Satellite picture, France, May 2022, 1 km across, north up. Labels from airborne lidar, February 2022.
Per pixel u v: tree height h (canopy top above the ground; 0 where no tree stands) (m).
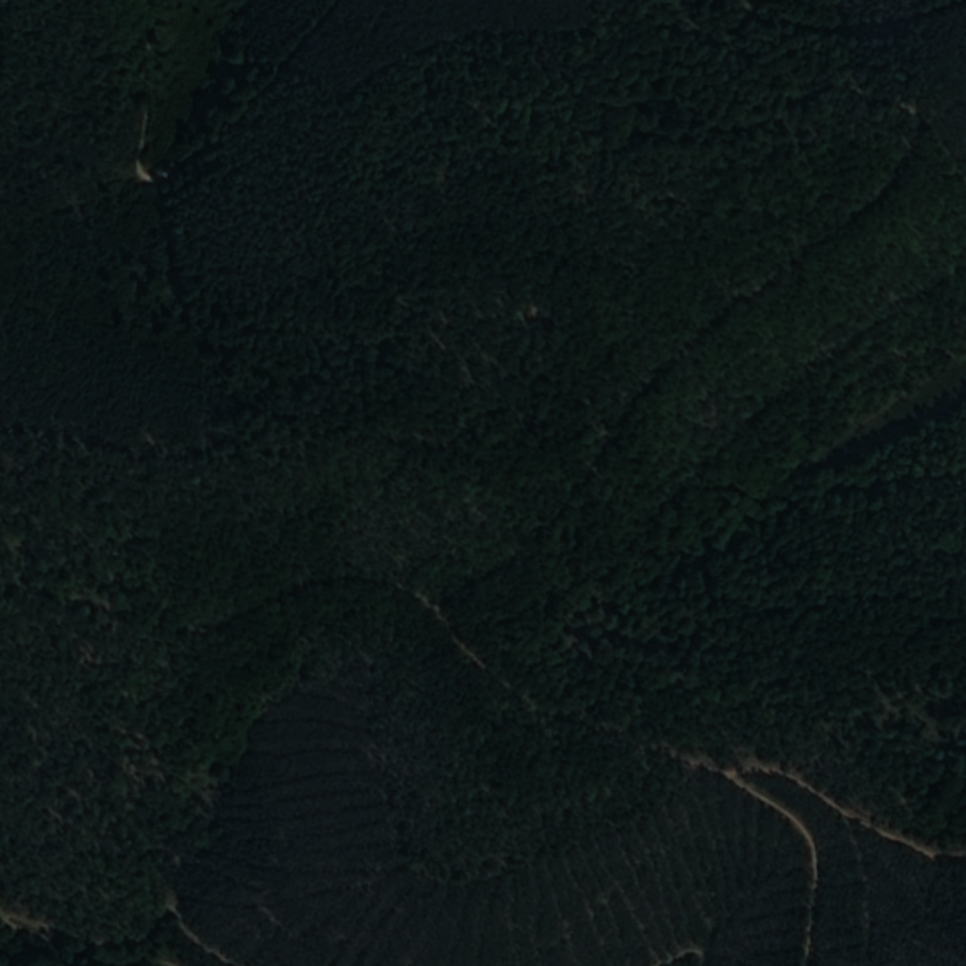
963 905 22
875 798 25
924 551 28
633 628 33
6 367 12
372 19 17
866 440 0
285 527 25
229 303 29
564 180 29
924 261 25
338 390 28
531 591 33
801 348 21
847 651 31
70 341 14
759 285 27
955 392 0
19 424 7
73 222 15
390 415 27
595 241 25
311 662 24
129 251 10
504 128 29
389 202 23
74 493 18
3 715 26
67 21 24
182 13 7
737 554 34
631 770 26
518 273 25
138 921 21
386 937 17
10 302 10
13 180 13
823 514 32
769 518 35
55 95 28
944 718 35
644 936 18
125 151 7
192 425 13
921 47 22
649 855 16
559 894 17
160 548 29
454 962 17
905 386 38
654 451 29
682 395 19
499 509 21
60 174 10
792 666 29
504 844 25
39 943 17
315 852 16
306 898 19
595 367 30
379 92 25
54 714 25
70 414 9
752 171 28
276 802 17
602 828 13
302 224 25
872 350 29
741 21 33
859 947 15
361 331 29
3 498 27
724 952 20
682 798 16
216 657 30
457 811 23
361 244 26
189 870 22
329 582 28
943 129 19
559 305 28
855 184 26
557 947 20
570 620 36
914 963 19
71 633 25
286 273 30
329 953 19
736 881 15
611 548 30
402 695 26
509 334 27
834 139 24
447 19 18
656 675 33
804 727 26
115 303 11
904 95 26
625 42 33
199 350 10
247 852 19
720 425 29
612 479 26
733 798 16
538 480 28
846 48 33
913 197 24
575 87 30
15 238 15
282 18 16
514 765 27
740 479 37
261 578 22
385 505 20
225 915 20
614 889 15
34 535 29
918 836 25
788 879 17
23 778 27
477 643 30
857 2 35
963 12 22
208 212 24
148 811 29
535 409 35
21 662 23
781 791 14
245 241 25
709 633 33
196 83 8
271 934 17
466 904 18
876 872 16
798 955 20
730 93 33
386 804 17
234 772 19
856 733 29
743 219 27
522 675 32
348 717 16
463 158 27
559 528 30
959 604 28
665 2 31
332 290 24
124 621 27
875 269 26
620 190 29
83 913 28
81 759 27
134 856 30
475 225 25
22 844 30
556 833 24
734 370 22
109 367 13
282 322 32
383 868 17
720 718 21
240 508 21
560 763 28
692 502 33
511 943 18
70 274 12
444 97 25
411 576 25
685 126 32
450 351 27
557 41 24
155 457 23
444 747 26
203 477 23
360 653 21
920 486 32
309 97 24
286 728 18
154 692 25
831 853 15
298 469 22
